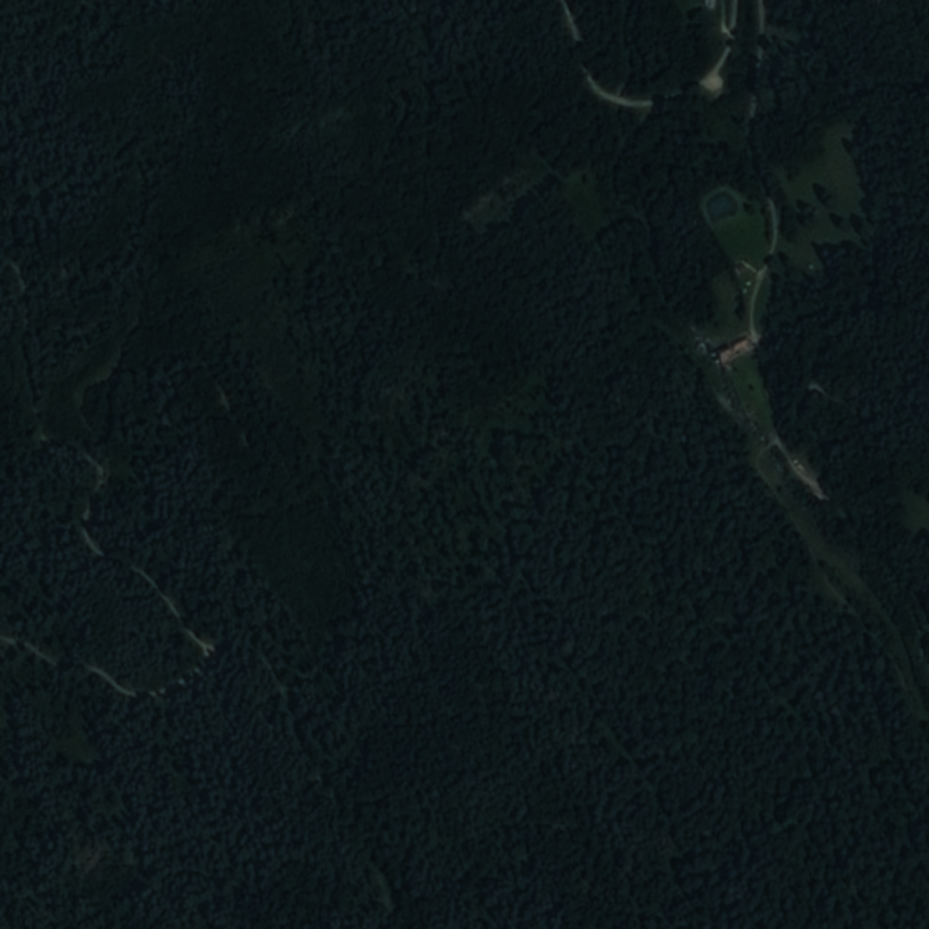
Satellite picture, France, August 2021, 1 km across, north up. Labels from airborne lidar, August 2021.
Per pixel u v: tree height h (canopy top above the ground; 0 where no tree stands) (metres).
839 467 24
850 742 30
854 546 16
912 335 32
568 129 24
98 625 21
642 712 30
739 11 7
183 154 21
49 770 22
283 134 23
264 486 15
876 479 16
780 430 13
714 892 37
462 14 25
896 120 24
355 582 10
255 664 25
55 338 5
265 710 27
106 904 7
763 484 26
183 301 18
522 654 29
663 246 29
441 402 24
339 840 26
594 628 32
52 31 18
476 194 22
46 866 30
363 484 14
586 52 25
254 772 26
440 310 19
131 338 14
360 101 32
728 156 26
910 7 28
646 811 34
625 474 34
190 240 15
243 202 18
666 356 29
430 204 16
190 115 21
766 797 36
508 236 29
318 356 15
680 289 34
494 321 27
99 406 12
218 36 16
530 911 30
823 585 0
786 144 14
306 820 30
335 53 27
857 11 33
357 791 28
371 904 7
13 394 25
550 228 23
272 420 18
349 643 34
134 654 26
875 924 32
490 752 15
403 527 21
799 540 29
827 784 33
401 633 29
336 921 25
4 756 6
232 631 32
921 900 9
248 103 20
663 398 29
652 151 11
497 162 22
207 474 25
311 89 26
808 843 24
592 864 19
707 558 24
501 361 20
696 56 19
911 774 35
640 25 23
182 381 19
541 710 29
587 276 39
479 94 25
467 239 22
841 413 15
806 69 24
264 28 24
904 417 36
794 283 10
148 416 19
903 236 27
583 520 35
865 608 8
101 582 29
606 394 30
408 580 23
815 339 13
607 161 11
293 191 27
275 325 7
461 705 24
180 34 16
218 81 17
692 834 30
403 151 18
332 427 9
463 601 22
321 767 20
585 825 22
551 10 36
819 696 34
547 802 15
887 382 32
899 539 26
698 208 13
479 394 20
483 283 21
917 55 29
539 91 19
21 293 6
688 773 30
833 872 29
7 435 11
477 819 22
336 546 10
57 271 20
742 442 14
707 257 23
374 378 29
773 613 32
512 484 36
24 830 9
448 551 16
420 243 16
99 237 20
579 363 37
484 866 22
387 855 33
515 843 22
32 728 27
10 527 28
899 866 30
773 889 36
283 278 6
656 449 32
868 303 9
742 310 13
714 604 29
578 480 32
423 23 10
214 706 32
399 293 18
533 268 28
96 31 24
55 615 31
